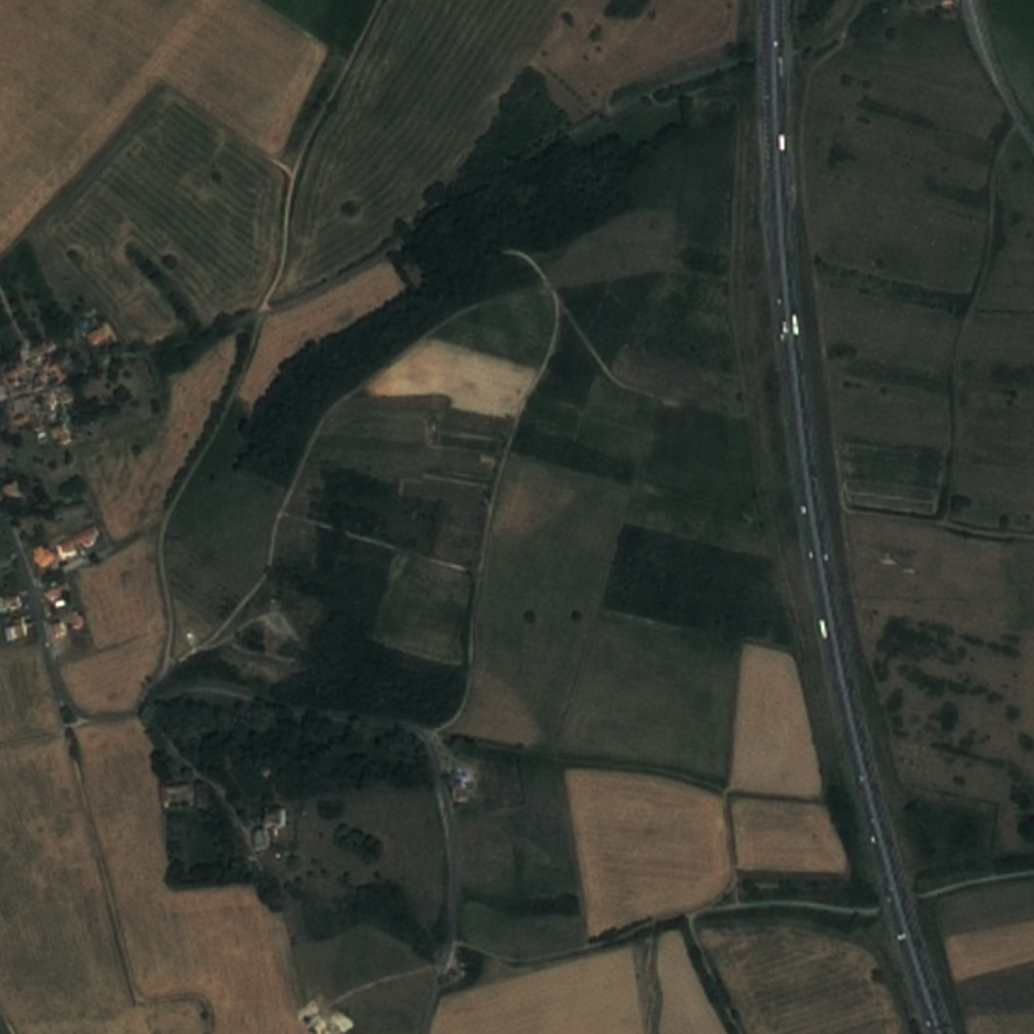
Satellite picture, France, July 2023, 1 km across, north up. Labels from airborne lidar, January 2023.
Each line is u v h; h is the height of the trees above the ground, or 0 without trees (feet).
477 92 0
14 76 0
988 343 0
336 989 0
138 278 0
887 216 0
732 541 0
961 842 0
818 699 0
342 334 26
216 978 0
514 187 69
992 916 0
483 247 76
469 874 0
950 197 0
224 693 0
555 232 43
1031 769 0
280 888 29
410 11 0
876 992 0
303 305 0
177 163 0
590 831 0
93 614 0
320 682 32
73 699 0
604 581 0
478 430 0
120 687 0
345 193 0
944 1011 0
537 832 0
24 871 0
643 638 0
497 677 0
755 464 0
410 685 38
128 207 0
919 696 0
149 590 0
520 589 0
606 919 0
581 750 0
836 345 0
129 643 0
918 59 0
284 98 0
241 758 30
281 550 0
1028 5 0
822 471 0
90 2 0
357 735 61
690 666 0
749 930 0
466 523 0
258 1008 0
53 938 0
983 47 0
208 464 0
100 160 0
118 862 0
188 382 0
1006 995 0
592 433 0
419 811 0
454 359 0
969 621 0
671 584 20
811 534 0
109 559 0
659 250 0
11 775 0
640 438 0
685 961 0
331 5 0
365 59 0
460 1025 0
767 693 0
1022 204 0
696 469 0
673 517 0
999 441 0
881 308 0
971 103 0
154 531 0
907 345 0
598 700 0
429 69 0
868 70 0
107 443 0
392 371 0
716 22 0
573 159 64
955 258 0
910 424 0
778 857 0
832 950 0
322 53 0
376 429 0
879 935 0
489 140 18
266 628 0
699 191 0
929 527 0
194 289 0
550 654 0
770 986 0
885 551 0
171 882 42
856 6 0
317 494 27
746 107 0
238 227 0
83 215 0
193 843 0
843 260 0
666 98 32
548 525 0
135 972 0
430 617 0
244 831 0
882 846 0
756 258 0
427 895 0
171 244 0
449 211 60
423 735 0
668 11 0
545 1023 0
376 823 0
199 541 0
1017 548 0
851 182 17
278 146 0
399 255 25
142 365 0
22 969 0
